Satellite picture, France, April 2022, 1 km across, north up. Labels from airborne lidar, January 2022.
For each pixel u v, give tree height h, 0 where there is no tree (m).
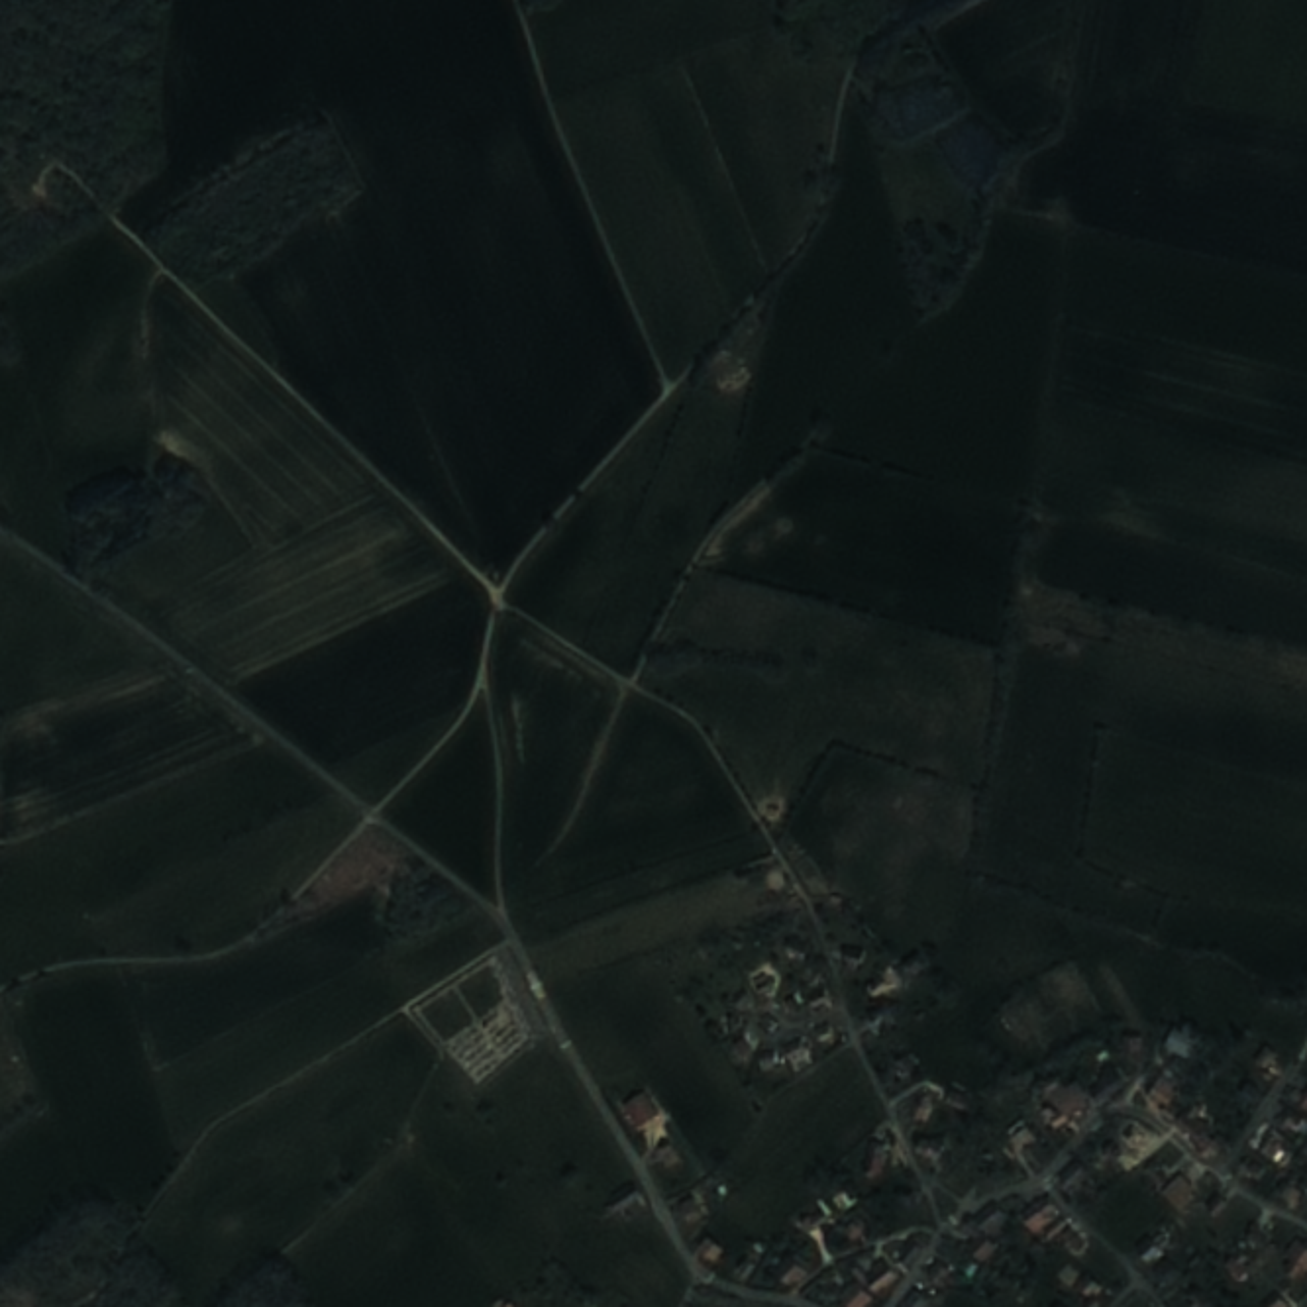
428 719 0
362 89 0
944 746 0
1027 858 0
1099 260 0
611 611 0
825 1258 0
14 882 0
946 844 0
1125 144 0
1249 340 0
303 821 0
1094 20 0
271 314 0
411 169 0
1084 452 0
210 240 6
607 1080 0
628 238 0
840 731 0
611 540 0
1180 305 0
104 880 0
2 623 0
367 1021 0
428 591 0
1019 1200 6
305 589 0
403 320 0
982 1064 0
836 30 21
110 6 18
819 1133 0
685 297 0
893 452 0
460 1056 0
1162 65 0
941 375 0
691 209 0
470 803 0
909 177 0
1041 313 0
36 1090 0
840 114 0
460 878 0
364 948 0
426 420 0
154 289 0
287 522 0
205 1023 0
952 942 0
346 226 0
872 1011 9
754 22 0
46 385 0
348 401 0
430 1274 0
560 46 0
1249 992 0
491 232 0
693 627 0
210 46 0
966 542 0
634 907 0
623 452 0
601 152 0
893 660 0
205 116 0
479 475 0
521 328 0
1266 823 0
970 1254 6
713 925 0
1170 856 0
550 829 0
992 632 0
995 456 0
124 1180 0
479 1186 0
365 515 0
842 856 0
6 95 11
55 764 0
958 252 8
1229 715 0
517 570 0
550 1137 0
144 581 0
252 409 0
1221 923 0
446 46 0
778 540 0
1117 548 0
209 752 0
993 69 0
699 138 0
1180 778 0
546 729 0
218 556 0
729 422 0
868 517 0
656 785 0
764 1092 0
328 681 0
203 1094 0
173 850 0
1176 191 0
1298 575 0
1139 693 0
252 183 13
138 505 21
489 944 0
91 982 0
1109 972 0
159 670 0
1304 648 0
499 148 0
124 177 19
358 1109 0
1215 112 0
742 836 0
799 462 10
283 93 0
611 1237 0
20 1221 0
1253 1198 0
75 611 0
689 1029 0
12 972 0
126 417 0
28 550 0
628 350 0
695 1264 0
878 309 0
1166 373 0
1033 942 0
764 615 0
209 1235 0
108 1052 0
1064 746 0
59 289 0
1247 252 0
